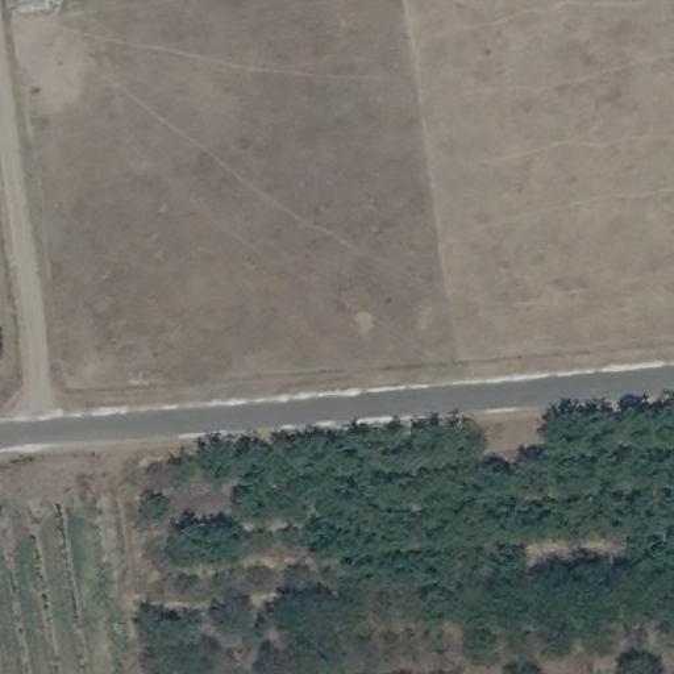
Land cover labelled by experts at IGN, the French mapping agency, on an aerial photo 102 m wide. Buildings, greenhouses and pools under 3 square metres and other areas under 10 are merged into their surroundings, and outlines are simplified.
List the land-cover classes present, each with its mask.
<instances>
[{"label":"agricultural land","instance_id":"1","mask_svg":"<svg viewBox=\"0 0 674 674\"><path fill-rule=\"evenodd\" d=\"M0 18L13 95L16 134L21 150L26 211L45 305L47 371L50 384L55 390V403L58 408L71 411L129 405V413L292 403L311 398H355L374 392L503 384L674 366V0H0ZM34 458L32 466L0 474V674H147L140 661L142 640L134 624V613L124 611L118 600L111 598V584H118V579H111V563L103 561V548L116 545L111 498L97 500L92 490L82 492L76 487V474L121 471L124 461L132 453L124 448H111L29 453Z\"/></svg>","mask_w":674,"mask_h":674},{"label":"deciduous trees","instance_id":"2","mask_svg":"<svg viewBox=\"0 0 674 674\"><path fill-rule=\"evenodd\" d=\"M542 442L519 448L513 461L490 455L484 448L482 427L474 419H458L429 416L413 424L390 421L382 427H369L366 434H334V440L313 437L298 442H276L271 437L197 440L195 453L169 458L174 469L171 474H163V482L179 487L190 477L200 474L208 482L237 479L240 484L232 490L229 513L234 524H197L182 532L171 527L166 537V558L171 563L192 566L240 561L247 553H266L271 545H287L308 548L313 556L319 553L321 558H329V566H321L319 571H311L300 563H290L287 569L232 566L216 571L213 577L176 574V592L192 600L211 603L224 600V592L229 590L247 592L253 598V592L261 590L276 595L279 587L324 584L334 595L350 587L353 595L350 606L326 603L321 598H290L287 603H279V611L269 616L266 627H255L261 606L253 603L247 608L213 613L211 621L229 635H240L242 648L269 642L266 629H279L292 642L295 656L287 663H266L261 674H374L376 656L369 635L371 627L366 619L374 616L453 621L463 632L466 656L471 650L492 648L495 635L540 632V640L556 658L569 656L574 640H579L584 650H590L592 656H606L613 645L611 629H642L648 621H656L658 635L666 640L669 648H674V405L663 411L616 408L608 413L595 411L563 413L556 419L542 416ZM579 537H603L621 542L627 548L621 556L632 561L627 569L579 566L574 571L558 569L553 574L529 577V542ZM169 498L161 492H145L140 500V519L158 521L161 516H166ZM134 624L142 640L140 661L147 674H213L216 653L221 648L216 637L203 635L197 624L161 621L155 616L142 613L140 608L134 613Z\"/></svg>","mask_w":674,"mask_h":674},{"label":"herbaceous vegetation","instance_id":"3","mask_svg":"<svg viewBox=\"0 0 674 674\"><path fill-rule=\"evenodd\" d=\"M24 387V355L13 269L5 250L0 192V413H5V403ZM674 405V392H666L656 403H648L637 395H624L621 403L608 400L577 405L571 400H561L550 411L540 405L471 408L461 411L458 419H474L482 427L484 448L490 455L513 461L519 448L542 442V416L556 419L563 413L595 411L608 413L616 408L663 411ZM369 427L353 424L348 429L276 432L271 437L276 442H298L313 437L334 440V434H366ZM111 448H124L132 453L124 461L121 471L76 474V487L82 492L92 490L97 500L111 498L116 545L103 548V561L111 563V579H118V584H111V598L118 600L124 611L134 613L140 608L142 613L155 616L161 621L197 624L203 635L216 637L221 648L216 653L213 674H261L266 663H287L295 656L292 642L279 629H266L269 642L242 648L240 635H229L211 621L213 613L247 608L253 603L261 606L255 627H266L269 616L279 611V603H287L290 598H321L326 603L350 606L353 595L350 587L334 595L324 584L279 587L276 595L261 590L253 592V598L247 592L229 590L224 592V600L211 603L192 600L176 592V574L213 577L216 571L232 566L287 569L290 563H300L311 571H319L321 566H329V558H321L319 553L313 556L308 548L287 545H271L266 553H247L240 561L192 566L171 563L166 558V537L171 527L182 532L197 524H234L229 513L232 490L240 484L237 479L208 482L200 474L190 477L179 487L163 482V474H171L174 469L169 458L195 453L197 440L190 442L182 432L155 437L26 442L0 448V474L32 466L34 458L29 453ZM145 492H161L169 498L166 516H161L158 521L140 519V500ZM627 548L621 542L603 537H579L529 542V577L553 574L558 569L574 571L579 566L627 569L632 561L621 556ZM371 627L369 635L376 656L374 674H674V648H669L666 640L658 635L656 621H648L642 629H611L613 645L606 656H592L590 650H584L579 640H574L569 656L556 658L540 640V632L495 635L492 648L471 650L466 656L463 632L453 621L374 616L366 619Z\"/></svg>","mask_w":674,"mask_h":674},{"label":"impervious surface","instance_id":"4","mask_svg":"<svg viewBox=\"0 0 674 674\"><path fill-rule=\"evenodd\" d=\"M666 392H674V366L503 384L374 392L355 398H311L292 403L129 413L0 424V448L26 442L155 437L182 432L190 442L197 440L271 437L276 432L348 429L353 424L369 427H382L390 421L413 424L429 416L458 419L461 411L471 408L540 405L550 411L561 400H571L577 405L608 400L621 403L624 395H637L648 403H656Z\"/></svg>","mask_w":674,"mask_h":674},{"label":"pervious surface","instance_id":"5","mask_svg":"<svg viewBox=\"0 0 674 674\"><path fill-rule=\"evenodd\" d=\"M0 192L5 250L13 269L24 355V387L5 403V413H0V424L129 413V405L71 411L58 408L55 403V390L50 384L47 371L45 305L26 211L21 150L16 134L13 95L0 18Z\"/></svg>","mask_w":674,"mask_h":674}]
</instances>
